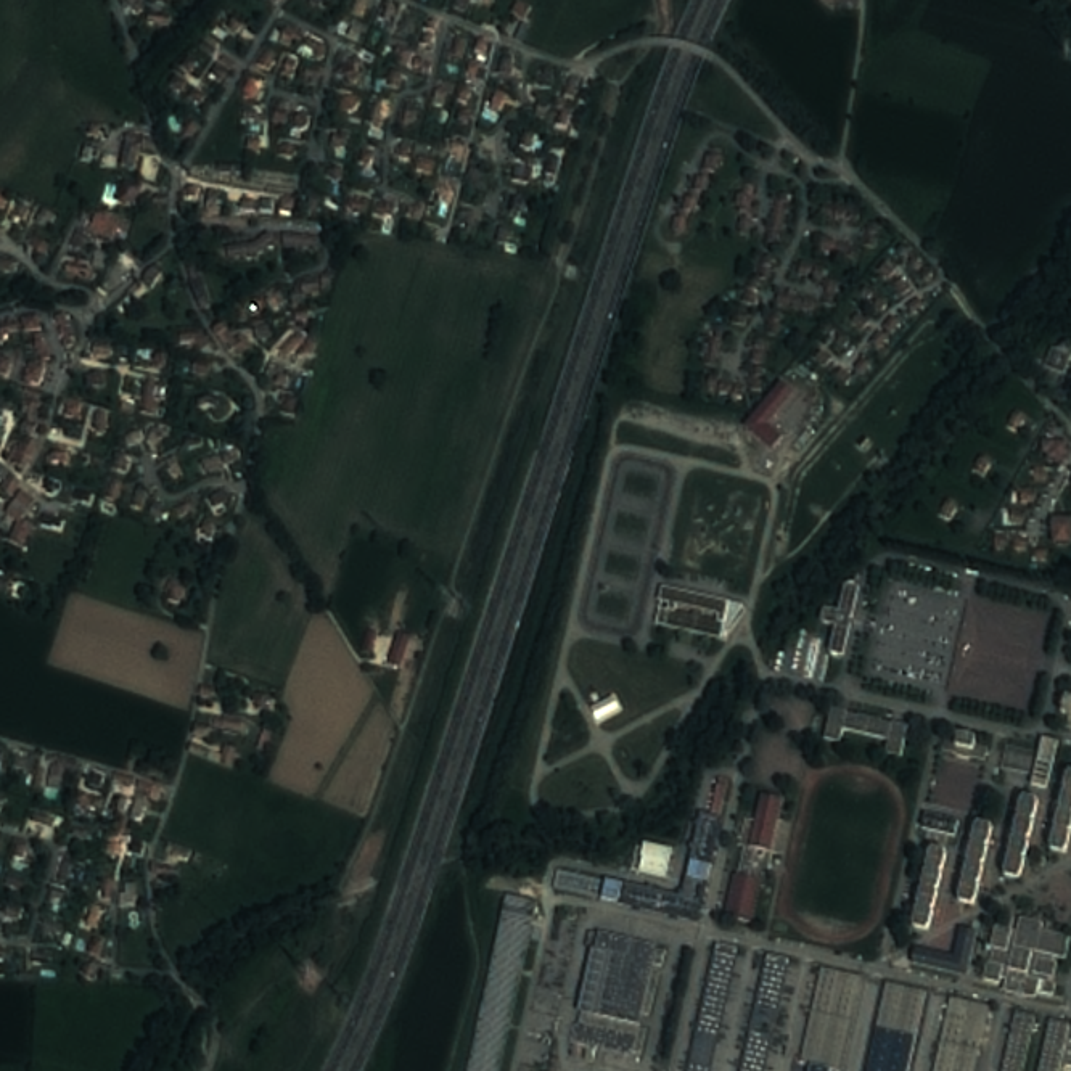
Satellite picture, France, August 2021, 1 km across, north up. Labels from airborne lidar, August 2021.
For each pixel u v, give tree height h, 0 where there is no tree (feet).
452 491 0
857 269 33
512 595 0
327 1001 0
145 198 42
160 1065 50
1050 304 65
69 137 0
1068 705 0
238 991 0
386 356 0
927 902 0
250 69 18
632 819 47
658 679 0
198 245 63
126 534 0
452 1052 0
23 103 0
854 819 0
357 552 0
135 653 0
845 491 0
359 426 0
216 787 0
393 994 0
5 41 0
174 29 30
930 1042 0
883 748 57
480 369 0
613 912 0
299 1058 0
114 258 31
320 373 0
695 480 0
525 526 0
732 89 0
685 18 0
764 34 0
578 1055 0
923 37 0
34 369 0
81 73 0
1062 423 39
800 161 19
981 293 0
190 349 22
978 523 0
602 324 0
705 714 62
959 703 41
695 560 0
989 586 50
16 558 25
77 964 23
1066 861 0
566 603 41
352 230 43
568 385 0
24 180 0
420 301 0
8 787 24
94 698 0
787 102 56
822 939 0
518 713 44
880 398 0
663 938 0
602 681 0
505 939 0
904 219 0
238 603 0
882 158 0
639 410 0
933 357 0
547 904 0
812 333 26
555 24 0
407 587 0
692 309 0
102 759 0
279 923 28
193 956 51
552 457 0
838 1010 0
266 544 0
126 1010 0
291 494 0
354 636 0
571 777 0
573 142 27
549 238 26
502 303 21
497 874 57
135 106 0
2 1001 0
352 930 0
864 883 0
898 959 0
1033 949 0
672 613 0
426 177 27
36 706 0
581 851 21
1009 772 0
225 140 0
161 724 0
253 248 0
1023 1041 0
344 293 0
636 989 0
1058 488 0
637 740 0
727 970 0
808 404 0
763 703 61
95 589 0
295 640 0
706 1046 0
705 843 0
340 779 0
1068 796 0
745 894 0
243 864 0
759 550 0
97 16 0
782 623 62
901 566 47
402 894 0
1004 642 0
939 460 61
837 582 45
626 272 0
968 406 80
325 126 24
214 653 0
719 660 0
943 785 0
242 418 29
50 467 40
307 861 0
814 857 0
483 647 0
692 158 0
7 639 0
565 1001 0
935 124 0
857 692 0
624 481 0
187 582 29
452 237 30
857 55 0
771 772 0
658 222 0
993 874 0
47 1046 0
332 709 0
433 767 0
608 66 0
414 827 0
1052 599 45
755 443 0
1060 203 0
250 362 24
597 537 0
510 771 56
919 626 0
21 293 50
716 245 0
